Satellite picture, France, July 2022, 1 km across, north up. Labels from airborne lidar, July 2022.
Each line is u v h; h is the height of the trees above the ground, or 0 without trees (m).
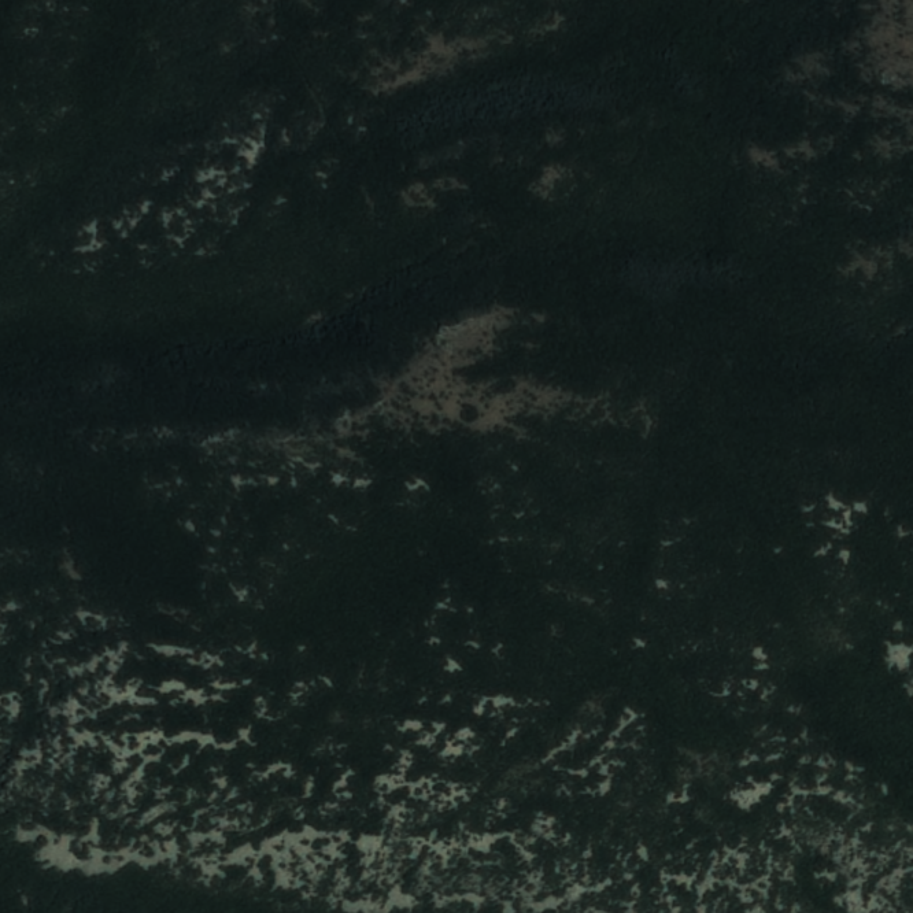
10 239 7
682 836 6
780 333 11
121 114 7
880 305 6
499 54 7
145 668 6
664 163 12
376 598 9
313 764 7
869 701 9
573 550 6
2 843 7
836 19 6
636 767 6
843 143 6
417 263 9
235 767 6
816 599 6
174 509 6
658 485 7
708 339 7
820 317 6
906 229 12
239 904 6
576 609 5
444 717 7
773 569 8
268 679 9
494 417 0
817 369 14
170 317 9
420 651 5
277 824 7
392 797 6
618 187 6
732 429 9
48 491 6
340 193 7
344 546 7
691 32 6
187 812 8
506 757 5
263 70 7
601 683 6
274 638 6
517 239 6
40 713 7
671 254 15
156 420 7
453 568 9
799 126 7
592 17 9
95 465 7
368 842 0
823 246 8
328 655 7
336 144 7
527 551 6
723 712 6
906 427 11
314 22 7
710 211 11
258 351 11
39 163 6
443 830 7
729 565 7
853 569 6
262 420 6
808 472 6
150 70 10
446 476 8
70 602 6
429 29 5
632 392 5
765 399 8
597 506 6
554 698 6
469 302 7
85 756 6
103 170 6
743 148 7
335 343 12
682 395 6
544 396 0
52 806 7
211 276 6
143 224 6
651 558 6
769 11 10
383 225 6
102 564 9
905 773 8
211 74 6
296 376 8
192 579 6
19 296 7
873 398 8
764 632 6
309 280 6
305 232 6
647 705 8
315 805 9
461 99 13
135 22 12
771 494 11
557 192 6
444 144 9
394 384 0
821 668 9
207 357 12
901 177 8
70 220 6
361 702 7
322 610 10
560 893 7
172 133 7
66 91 6
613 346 8
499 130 9
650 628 6
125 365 8
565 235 9
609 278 9
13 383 10
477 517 6
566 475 6
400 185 8
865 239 7
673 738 10
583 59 8
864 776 6
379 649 7
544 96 12
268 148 6
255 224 6
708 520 7
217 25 6
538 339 6
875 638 8
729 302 11
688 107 10
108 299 7
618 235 13
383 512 6
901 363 8
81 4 6
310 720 7
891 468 8
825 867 8
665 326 9
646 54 9
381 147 6
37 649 6
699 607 6
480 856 6
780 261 9
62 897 9
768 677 6
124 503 9
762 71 10
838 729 12
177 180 7
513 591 6
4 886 11
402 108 9
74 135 6
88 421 7
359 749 6
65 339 11
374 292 12
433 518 6
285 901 6
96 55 11
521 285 9
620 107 8
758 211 7
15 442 7
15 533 7
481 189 7
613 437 7
